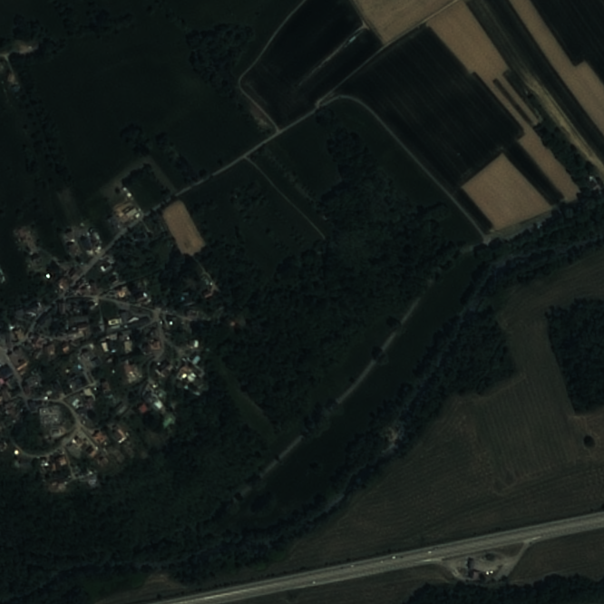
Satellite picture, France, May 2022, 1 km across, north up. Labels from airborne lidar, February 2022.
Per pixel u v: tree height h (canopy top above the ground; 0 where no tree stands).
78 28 8
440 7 0
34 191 0
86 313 15
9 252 0
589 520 0
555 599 19
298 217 0
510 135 0
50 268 7
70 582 18
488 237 0
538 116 0
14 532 19
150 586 0
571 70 0
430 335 0
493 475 0
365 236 25
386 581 0
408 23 0
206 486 24
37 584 13
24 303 12
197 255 6
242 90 0
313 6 0
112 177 0
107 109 0
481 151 0
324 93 0
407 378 0
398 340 0
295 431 0
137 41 0
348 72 0
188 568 11
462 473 0
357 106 0
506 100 0
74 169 0
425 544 0
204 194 0
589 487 0
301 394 23
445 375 20
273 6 0
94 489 8
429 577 0
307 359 30
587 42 0
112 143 0
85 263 0
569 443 0
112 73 0
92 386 0
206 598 0
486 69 0
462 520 0
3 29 0
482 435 0
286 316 17
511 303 0
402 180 0
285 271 21
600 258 0
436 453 0
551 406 0
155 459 22
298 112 0
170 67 0
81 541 25
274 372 25
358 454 18
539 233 21
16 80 0
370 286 26
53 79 0
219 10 0
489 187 0
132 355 8
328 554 0
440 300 0
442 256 22
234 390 0
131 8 0
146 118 0
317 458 0
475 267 0
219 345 22
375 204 22
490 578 0
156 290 0
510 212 0
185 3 0
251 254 0
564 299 0
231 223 0
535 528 0
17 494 15
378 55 0
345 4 0
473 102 0
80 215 0
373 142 0
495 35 0
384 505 0
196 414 27
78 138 0
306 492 0
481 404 0
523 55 0
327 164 0
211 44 22
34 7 0
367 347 0
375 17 0
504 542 0
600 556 0
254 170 0
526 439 0
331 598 0
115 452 0
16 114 0
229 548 17
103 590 0
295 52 0
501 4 0
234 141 0
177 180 0
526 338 0
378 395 0
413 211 18
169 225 0
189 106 0
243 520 0
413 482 0
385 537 0
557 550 0
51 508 19
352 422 0
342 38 0
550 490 0
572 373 18
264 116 0
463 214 0
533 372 0
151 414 8
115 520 14
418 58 0
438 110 0
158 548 26
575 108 0
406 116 0
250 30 11
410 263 24
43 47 18
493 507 0
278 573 0
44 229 0
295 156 0
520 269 16
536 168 0
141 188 0
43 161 0
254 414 0
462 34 0
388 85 0
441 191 0
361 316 25
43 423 0
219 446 22
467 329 22
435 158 0
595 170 13
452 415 0
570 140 0
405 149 0
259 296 17
